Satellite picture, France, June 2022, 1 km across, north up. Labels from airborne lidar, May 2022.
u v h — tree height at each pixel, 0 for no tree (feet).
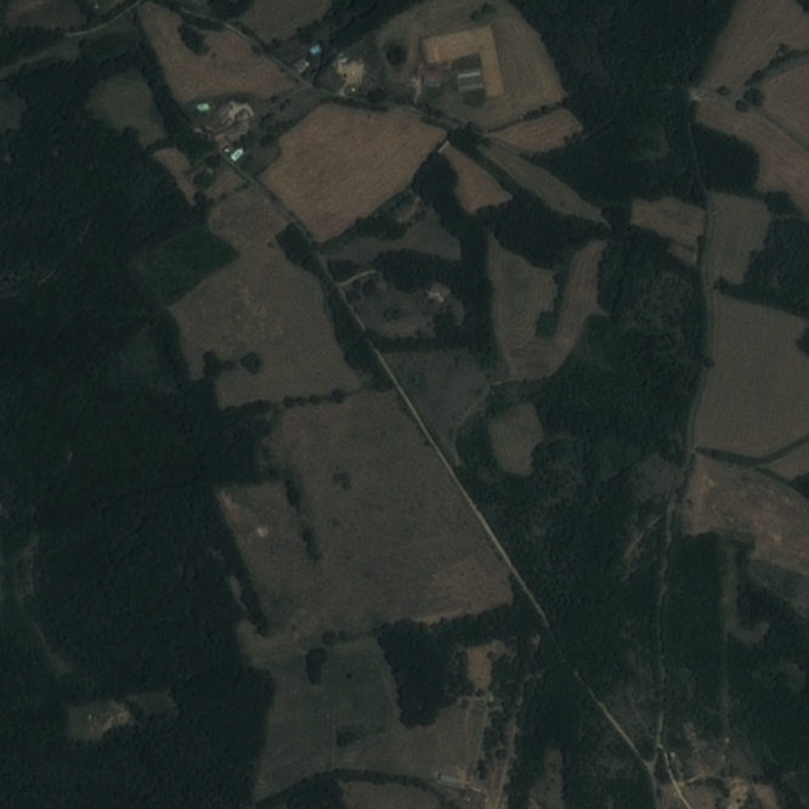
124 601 60
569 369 21
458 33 0
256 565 0
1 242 25
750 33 0
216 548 27
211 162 38
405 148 0
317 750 0
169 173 32
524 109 0
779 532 0
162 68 31
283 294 0
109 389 23
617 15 31
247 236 0
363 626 0
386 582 0
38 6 0
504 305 0
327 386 0
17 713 27
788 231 37
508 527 22
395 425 0
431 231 0
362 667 0
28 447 32
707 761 0
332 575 0
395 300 0
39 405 26
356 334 32
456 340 37
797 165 0
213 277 0
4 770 34
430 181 51
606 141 38
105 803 38
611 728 26
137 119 0
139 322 28
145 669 42
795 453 0
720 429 0
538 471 25
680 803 0
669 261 33
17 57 49
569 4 31
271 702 32
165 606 36
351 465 0
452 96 0
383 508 0
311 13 0
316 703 0
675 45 26
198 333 0
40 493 27
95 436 28
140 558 68
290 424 0
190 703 56
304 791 27
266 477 25
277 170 0
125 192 26
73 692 24
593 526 35
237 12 51
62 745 30
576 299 0
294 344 0
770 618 23
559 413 24
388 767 0
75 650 39
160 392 30
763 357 0
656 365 21
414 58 0
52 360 35
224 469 60
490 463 25
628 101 48
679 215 0
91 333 31
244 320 0
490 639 36
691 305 18
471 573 0
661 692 18
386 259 53
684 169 34
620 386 25
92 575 20
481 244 63
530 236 43
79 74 55
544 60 0
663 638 33
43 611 20
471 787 0
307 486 0
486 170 0
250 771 43
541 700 36
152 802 58
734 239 0
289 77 0
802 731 31
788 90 0
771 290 25
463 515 0
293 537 0
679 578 34
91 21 41
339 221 0
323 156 0
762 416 0
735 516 0
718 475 0
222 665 61
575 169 33
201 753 26
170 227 51
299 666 0
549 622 33
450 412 0
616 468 21
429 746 0
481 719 0
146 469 27
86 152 46
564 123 0
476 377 0
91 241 21
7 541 21
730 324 0
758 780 36
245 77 0
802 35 0
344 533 0
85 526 26
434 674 33
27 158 74
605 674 27
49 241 46
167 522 41
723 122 0
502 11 0
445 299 18
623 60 39
